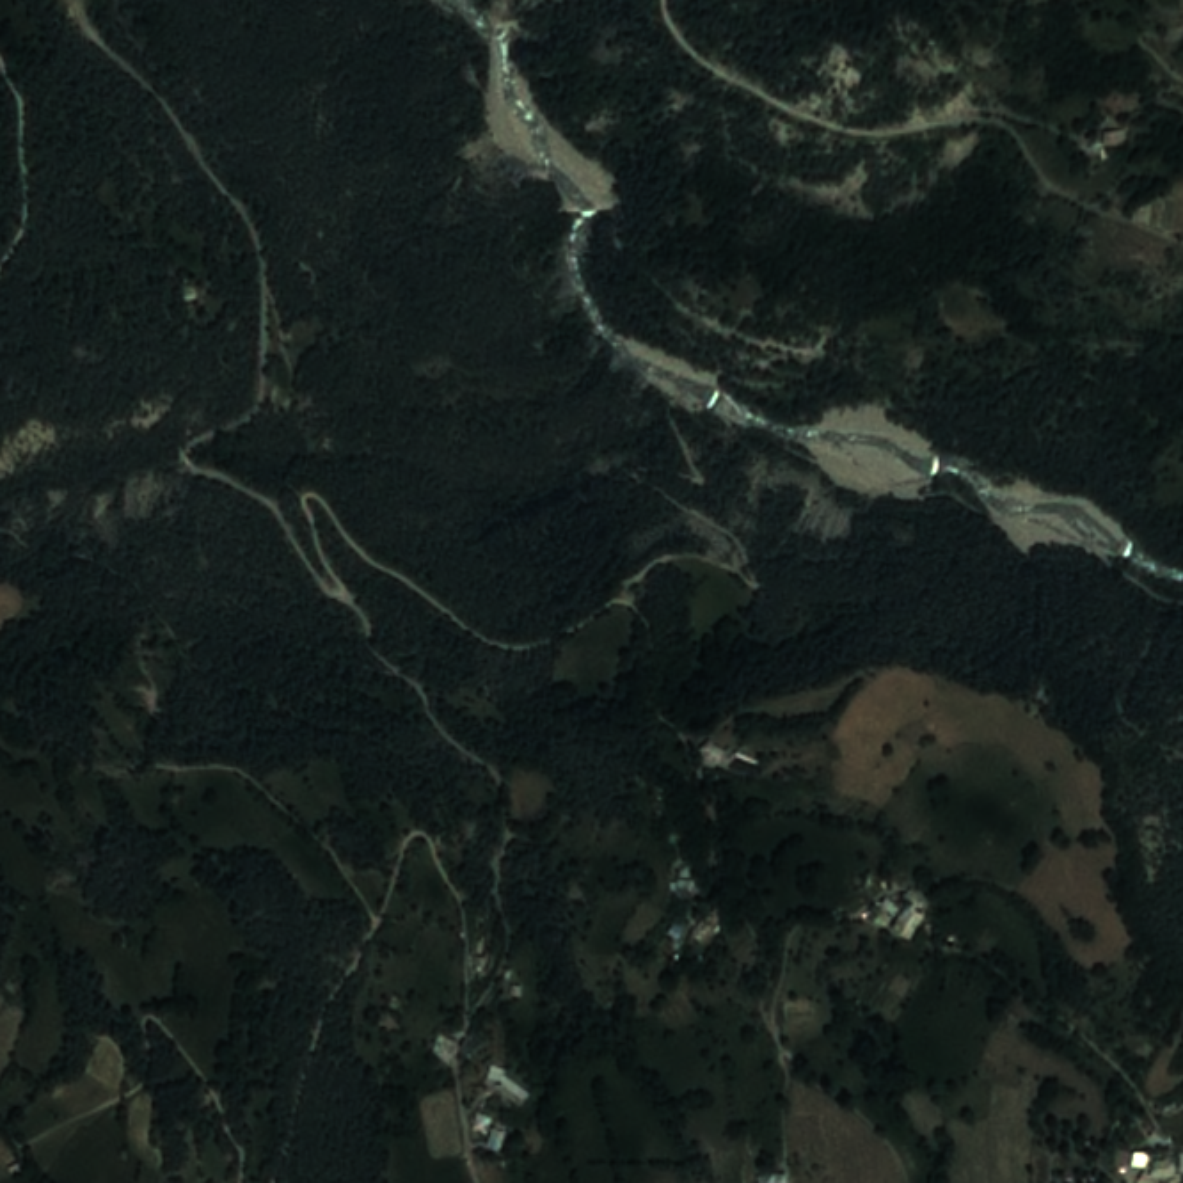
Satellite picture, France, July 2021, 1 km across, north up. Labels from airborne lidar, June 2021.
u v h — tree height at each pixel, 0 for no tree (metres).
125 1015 11
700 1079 0
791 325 8
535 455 9
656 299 9
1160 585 7
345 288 8
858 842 0
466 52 9
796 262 10
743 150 9
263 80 9
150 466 8
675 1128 8
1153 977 13
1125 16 10
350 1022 17
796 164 7
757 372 9
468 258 11
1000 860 0
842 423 0
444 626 7
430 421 10
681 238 6
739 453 6
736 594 0
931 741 8
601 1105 13
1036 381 7
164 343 10
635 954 17
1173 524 13
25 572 13
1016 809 0
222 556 9
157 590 7
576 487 12
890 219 10
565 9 10
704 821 20
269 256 9
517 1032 8
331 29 8
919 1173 0
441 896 0
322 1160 11
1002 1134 0
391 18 11
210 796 11
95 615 12
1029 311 8
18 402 7
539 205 7
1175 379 10
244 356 8
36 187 10
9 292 14
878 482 0
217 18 9
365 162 6
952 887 14
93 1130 0
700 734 13
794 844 12
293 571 8
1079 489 10
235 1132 12
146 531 8
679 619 15
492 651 9
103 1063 0
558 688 15
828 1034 11
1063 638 9
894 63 9
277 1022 10
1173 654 12
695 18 6
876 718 0
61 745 15
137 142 8
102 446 8
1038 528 0
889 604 15
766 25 13
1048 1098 15
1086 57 12
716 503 10
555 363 8
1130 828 14
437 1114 0
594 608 10
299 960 11
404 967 0
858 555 7
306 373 10
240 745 9
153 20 17
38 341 14
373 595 8
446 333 7
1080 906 0
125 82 9
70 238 10
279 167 6
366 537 7
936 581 15
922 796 0
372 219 11
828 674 11
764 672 19
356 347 6
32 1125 0
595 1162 7
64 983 10
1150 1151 7
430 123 12
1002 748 0
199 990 0
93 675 16
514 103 0
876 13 13
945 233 11
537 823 6
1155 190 7
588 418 7
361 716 14
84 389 11
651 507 6
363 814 12
